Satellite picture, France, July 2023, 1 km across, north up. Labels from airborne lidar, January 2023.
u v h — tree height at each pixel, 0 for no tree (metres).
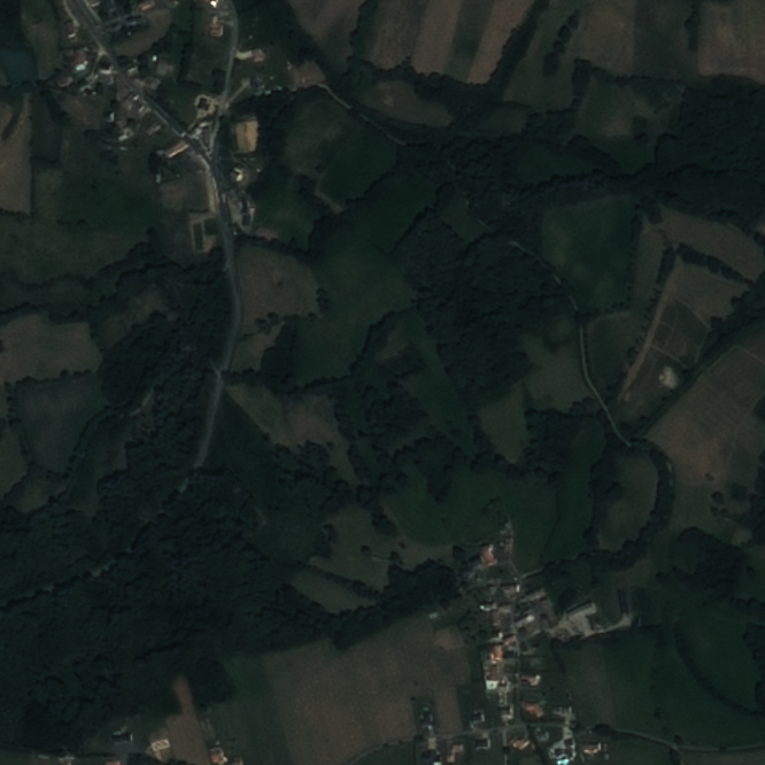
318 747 0
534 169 0
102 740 0
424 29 0
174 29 12
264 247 16
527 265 20
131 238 0
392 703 0
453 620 0
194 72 0
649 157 0
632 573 0
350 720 0
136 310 0
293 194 0
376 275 0
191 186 0
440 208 17
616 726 0
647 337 14
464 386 22
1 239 0
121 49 0
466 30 0
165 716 0
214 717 0
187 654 28
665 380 0
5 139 0
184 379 27
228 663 0
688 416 0
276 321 19
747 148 10
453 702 0
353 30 0
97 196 0
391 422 19
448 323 28
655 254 0
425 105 0
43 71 0
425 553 0
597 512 9
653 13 0
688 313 0
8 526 18
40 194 0
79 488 7
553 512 0
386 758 0
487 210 12
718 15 0
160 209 0
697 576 7
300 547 0
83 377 11
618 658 0
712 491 0
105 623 28
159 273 21
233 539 22
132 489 31
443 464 0
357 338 0
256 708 0
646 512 0
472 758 0
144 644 27
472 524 0
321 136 0
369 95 0
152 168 9
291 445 0
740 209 0
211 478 30
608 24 0
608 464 7
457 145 9
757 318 8
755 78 0
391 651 0
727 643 0
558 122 15
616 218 0
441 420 0
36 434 0
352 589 9
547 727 0
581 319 18
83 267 0
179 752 0
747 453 0
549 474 13
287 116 15
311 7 0
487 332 22
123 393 7
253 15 0
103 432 9
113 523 18
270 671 0
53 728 19
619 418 0
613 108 0
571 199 23
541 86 0
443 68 0
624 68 0
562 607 7
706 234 0
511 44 15
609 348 0
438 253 25
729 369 0
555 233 0
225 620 26
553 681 0
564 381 0
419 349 0
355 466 16
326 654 0
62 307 0
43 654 25
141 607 26
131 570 28
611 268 0
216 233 0
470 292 19
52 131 0
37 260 0
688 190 0
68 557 28
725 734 0
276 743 0
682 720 0
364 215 0
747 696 0
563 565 10
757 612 20
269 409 0
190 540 19
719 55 0
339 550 0
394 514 0
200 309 13
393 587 10
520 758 0
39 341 0
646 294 0
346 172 0
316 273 0
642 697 0
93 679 31
